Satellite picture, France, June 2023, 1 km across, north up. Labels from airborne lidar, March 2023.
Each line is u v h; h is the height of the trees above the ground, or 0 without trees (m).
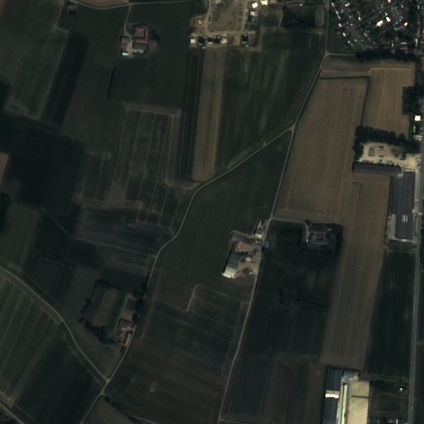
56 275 0
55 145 0
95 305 0
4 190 0
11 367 0
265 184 0
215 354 0
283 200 0
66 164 0
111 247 0
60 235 0
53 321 0
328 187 0
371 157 0
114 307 0
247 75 0
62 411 0
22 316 0
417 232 0
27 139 0
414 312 0
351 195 0
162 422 0
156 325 0
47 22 0
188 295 0
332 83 0
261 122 0
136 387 0
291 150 0
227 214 0
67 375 0
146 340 0
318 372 0
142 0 0
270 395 0
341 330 0
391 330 0
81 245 0
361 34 0
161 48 0
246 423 0
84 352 0
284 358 0
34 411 0
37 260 0
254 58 0
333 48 0
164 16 0
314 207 0
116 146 0
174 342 0
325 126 0
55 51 0
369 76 0
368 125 0
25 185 0
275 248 0
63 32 0
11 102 0
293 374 0
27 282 0
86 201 0
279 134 0
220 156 0
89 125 0
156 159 0
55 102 0
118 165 0
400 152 0
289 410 0
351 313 0
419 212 0
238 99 0
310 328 0
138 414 0
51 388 0
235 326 0
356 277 0
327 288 0
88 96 0
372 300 0
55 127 0
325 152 0
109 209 0
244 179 0
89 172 0
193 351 0
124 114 0
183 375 0
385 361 0
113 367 0
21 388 0
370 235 0
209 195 0
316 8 0
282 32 0
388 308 0
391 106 0
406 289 0
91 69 0
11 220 0
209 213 0
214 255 0
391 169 0
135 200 0
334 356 0
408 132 0
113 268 0
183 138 0
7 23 0
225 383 0
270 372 0
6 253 0
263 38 0
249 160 0
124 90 0
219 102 0
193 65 0
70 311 0
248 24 0
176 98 0
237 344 0
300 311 0
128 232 0
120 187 0
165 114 0
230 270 0
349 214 0
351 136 0
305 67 0
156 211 0
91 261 0
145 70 0
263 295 0
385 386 7
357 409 0
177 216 0
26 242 0
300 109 0
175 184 0
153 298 0
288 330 0
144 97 0
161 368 0
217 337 0
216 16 0
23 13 0
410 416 0
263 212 0
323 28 0
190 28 0
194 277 0
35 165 0
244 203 0
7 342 0
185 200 0
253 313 0
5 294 0
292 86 0
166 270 0
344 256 0
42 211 0
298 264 0
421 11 0
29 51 0
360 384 0
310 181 0
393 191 0
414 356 0
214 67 0
